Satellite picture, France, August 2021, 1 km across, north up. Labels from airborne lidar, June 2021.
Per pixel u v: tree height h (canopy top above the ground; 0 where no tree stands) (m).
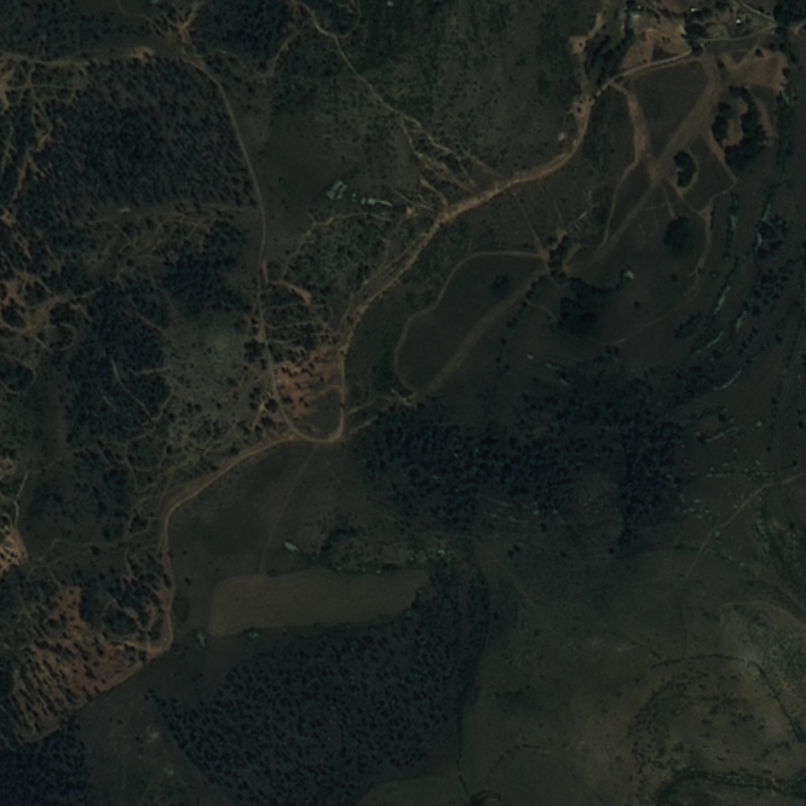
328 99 0
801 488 0
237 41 14
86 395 9
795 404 0
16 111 6
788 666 0
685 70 0
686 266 0
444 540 0
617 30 0
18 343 0
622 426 8
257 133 0
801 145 0
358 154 0
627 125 0
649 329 0
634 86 0
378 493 0
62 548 0
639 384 9
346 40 0
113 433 9
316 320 0
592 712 0
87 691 8
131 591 14
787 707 0
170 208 0
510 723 0
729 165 8
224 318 0
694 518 0
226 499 0
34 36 8
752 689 0
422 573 0
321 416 0
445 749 0
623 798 0
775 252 12
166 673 0
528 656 0
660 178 0
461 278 0
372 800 0
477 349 0
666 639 0
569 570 0
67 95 7
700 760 0
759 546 0
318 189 0
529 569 0
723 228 0
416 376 0
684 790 0
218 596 0
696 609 0
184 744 8
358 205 0
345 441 0
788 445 0
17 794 15
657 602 0
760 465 0
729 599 0
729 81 0
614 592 0
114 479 13
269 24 11
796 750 0
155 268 0
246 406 0
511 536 0
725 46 0
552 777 0
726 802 0
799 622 0
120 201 21
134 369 7
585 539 0
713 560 0
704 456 0
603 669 0
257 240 0
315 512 0
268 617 0
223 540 0
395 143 0
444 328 0
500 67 0
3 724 16
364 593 0
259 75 0
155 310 7
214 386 0
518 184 0
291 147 0
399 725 8
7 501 0
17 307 9
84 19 10
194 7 0
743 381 0
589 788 0
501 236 0
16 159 13
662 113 0
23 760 13
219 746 10
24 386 10
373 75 0
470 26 0
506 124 0
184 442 0
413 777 0
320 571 0
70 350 0
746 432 0
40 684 13
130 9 0
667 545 0
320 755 0
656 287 0
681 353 0
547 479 11
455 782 0
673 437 12
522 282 0
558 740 0
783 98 6
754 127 11
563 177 0
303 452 0
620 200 0
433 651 9
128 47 0
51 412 0
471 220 0
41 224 11
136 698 0
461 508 9
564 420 8
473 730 0
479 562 0
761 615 0
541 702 0
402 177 0
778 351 0
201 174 18
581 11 0
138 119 23
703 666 0
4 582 8
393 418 7
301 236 0
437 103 0
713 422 0
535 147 0
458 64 0
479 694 0
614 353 12
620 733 0
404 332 0
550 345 0
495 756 0
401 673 12
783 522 0
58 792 8
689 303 0
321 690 10
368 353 0
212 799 0
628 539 9
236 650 0
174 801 0
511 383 0
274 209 0
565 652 0
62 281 7
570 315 17
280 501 0
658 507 9
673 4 0
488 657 0
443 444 12
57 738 9
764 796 0
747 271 0
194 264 11
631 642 0
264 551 0
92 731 0
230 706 8
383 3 0
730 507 0
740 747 0
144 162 24
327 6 10
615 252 0
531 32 0
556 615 0
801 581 0
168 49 0
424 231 0
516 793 0
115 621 11
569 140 0
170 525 0
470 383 0
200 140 20
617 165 0
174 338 0
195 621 0
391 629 0
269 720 10
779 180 0
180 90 20
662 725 0
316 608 0
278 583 0
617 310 0
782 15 15
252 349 10
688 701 0
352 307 0
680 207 0
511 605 0
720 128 15
